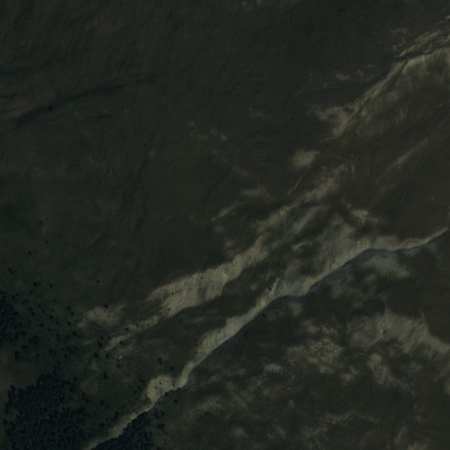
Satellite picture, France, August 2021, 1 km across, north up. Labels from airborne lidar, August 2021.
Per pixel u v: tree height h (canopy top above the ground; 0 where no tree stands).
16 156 0
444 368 0
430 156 0
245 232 0
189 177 0
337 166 0
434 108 0
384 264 0
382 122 0
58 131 0
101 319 0
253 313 0
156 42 0
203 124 0
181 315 0
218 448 0
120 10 0
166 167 0
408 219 0
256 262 0
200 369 0
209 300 0
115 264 0
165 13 0
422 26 0
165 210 0
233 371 0
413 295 0
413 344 0
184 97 0
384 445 0
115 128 0
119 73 0
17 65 0
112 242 0
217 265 0
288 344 0
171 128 0
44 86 0
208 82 0
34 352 0
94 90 0
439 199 0
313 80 0
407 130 0
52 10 0
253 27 0
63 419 18
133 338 0
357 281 0
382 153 0
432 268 0
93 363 0
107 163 0
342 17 0
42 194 0
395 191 0
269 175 0
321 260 0
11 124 0
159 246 0
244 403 0
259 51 0
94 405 0
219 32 0
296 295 0
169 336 0
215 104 0
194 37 0
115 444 15
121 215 0
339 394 0
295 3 0
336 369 0
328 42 0
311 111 0
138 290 0
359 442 0
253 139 0
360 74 0
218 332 0
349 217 0
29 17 0
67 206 0
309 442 0
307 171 0
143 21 0
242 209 0
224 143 0
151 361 0
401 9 0
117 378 0
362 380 0
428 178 0
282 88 0
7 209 0
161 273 0
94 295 0
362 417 0
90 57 0
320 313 0
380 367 0
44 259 0
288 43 0
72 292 0
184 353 0
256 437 0
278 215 0
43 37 0
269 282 0
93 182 0
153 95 0
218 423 0
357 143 0
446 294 0
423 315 0
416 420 0
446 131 0
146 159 0
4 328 10
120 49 0
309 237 0
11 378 0
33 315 11
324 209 0
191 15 0
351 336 0
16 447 25
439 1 0
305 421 0
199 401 0
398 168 0
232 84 0
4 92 0
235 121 0
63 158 0
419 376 0
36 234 0
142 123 0
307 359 0
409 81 0
